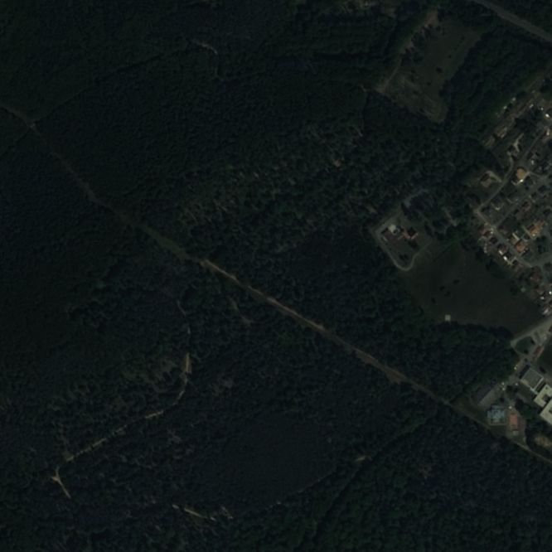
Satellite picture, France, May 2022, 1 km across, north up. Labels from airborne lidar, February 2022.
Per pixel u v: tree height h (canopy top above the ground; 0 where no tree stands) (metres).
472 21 20
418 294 0
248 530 25
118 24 22
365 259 15
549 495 20
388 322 26
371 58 26
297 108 20
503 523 26
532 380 0
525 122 15
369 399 12
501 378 20
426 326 23
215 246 29
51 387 25
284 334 19
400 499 29
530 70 20
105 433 15
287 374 12
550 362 0
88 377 24
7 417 18
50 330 24
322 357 22
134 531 27
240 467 19
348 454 21
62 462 13
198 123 23
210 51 16
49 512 28
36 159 21
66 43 18
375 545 18
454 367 30
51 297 23
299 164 29
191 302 32
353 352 0
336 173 28
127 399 30
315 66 23
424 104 0
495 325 0
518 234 0
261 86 22
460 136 20
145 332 28
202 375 21
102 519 26
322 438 15
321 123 7
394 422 31
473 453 26
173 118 23
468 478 26
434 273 0
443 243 18
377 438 9
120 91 19
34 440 22
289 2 18
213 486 18
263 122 21
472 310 0
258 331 12
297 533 32
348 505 31
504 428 0
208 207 24
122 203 21
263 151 17
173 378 9
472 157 27
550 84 13
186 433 13
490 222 0
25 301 24
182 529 29
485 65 17
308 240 9
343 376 11
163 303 31
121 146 19
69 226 23
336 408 10
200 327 21
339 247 13
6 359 23
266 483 19
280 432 19
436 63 0
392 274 16
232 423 10
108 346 22
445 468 31
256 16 19
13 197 20
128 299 25
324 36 25
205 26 22
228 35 17
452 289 0
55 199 20
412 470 13
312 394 10
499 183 0
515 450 18
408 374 24
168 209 23
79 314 20
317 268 14
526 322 0
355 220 7
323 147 27
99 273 22
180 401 9
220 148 23
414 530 29
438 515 30
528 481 18
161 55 20
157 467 9
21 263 22
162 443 12
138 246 26
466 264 0
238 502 22
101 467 15
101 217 23
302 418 14
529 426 13
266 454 18
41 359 26
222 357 15
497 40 20
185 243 20
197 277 23
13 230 25
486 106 23
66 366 25
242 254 33
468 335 26
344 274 20
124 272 32
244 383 10
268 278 26
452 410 18
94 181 17
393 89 0
